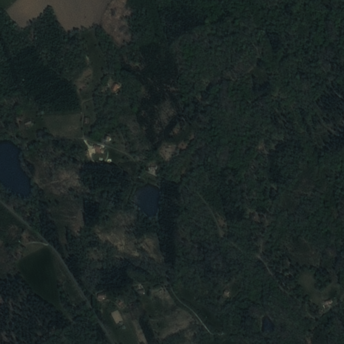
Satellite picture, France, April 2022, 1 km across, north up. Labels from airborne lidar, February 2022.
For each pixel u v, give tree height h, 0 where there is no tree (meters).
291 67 26
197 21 19
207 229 11
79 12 0
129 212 22
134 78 25
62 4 0
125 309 0
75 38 16
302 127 9
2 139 17
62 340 23
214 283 14
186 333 0
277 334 24
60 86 14
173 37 18
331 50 28
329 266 0
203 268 20
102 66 0
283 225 26
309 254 0
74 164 22
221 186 18
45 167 0
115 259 16
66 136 0
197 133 21
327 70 26
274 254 23
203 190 13
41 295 0
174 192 22
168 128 7
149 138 9
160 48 8
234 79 19
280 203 24
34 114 0
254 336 24
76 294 0
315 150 9
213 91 28
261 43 13
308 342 29
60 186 0
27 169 18
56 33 19
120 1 0
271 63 9
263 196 19
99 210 25
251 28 27
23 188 0
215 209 7
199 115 29
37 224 23
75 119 0
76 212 0
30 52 15
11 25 12
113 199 20
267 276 29
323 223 22
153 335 16
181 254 9
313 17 22
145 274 28
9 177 0
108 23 0
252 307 29
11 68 17
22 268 0
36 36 15
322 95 22
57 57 11
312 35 19
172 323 0
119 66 24
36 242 0
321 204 25
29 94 13
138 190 0
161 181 21
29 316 35
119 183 24
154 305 0
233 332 9
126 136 11
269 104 20
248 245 23
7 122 14
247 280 23
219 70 25
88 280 20
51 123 0
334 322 28
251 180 24
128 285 19
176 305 7
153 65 7
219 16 19
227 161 24
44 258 0
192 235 17
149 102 9
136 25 12
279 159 20
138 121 6
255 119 25
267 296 22
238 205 20
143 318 18
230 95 24
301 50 21
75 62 13
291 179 11
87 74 0
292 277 17
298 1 27
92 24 0
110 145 0
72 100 14
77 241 24
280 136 27
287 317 28
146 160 12
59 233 36
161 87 7
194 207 19
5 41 19
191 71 21
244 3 16
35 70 16
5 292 23
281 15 15
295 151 19
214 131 22
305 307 21
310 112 26
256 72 0
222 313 19
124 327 7
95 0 0
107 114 7
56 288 0
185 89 13
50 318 32
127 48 11
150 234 27
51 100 13
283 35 21
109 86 0
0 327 16
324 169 24
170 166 18
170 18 20
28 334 31
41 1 0
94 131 20
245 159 23
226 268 24
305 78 29
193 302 0
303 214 29
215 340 8
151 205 0
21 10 0
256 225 21
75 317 23
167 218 21
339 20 24
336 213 0
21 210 24
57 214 0
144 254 25
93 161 0
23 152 20
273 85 23
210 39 22
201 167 19
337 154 26
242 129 25
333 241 22
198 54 24
